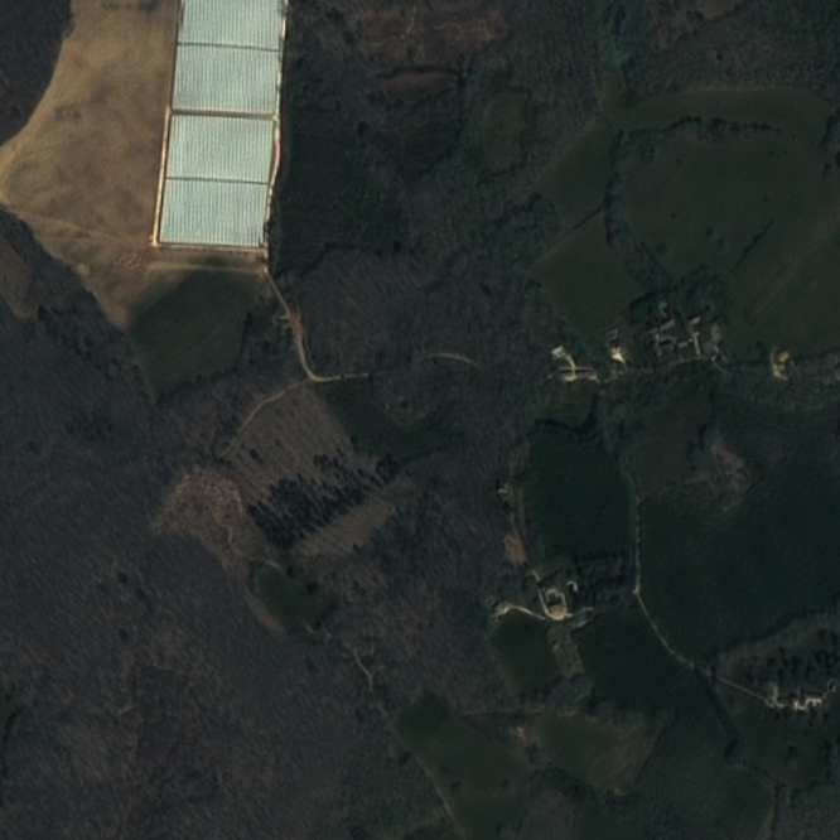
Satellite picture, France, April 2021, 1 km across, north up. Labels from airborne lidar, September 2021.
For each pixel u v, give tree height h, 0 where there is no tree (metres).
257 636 18
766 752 0
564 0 25
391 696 20
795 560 7
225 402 14
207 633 14
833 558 7
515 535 9
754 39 17
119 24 0
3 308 19
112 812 17
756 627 6
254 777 17
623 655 6
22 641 14
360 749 15
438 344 11
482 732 11
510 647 0
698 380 6
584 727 0
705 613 6
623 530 7
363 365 7
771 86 17
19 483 13
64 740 22
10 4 13
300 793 17
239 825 13
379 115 7
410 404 12
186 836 14
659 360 16
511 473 12
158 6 0
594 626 7
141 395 18
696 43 18
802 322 0
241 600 18
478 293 12
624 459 20
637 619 7
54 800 17
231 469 14
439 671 14
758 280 0
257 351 10
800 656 0
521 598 18
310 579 14
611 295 0
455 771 0
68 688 17
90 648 14
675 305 11
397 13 20
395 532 13
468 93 24
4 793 16
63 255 0
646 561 6
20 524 15
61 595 15
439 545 12
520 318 19
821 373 13
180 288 0
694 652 6
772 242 0
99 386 17
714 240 6
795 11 19
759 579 7
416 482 14
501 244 18
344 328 16
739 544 8
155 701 19
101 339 18
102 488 16
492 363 22
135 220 0
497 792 0
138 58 0
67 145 0
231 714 16
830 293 0
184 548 17
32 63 10
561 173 0
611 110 0
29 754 20
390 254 9
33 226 0
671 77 19
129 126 0
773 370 16
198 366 0
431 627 9
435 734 0
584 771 0
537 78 17
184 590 15
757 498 8
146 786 7
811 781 0
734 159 0
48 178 0
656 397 19
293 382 12
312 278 18
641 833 8
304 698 17
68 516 14
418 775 19
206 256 0
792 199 0
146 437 12
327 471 20
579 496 9
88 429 20
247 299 0
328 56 17
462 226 25
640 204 0
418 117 8
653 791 6
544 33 13
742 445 12
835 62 19
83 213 0
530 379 22
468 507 17
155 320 0
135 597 11
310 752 18
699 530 5
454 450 9
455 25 0
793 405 16
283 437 19
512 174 12
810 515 9
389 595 17
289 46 11
